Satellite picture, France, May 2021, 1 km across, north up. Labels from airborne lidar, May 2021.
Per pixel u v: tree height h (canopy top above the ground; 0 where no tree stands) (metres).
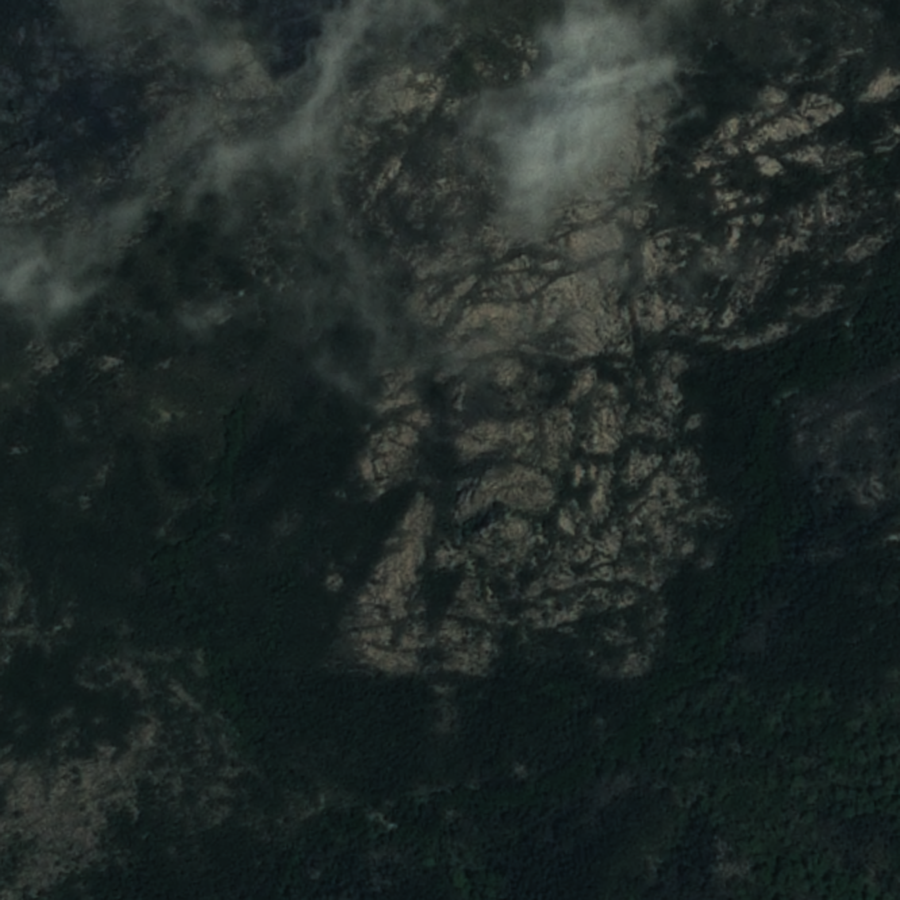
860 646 19
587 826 6
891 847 7
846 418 0
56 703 8
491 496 0
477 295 0
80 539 8
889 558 14
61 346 0
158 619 8
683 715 14
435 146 0
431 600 6
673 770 11
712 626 16
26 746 7
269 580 13
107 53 0
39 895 10
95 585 7
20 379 0
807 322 6
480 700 9
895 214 6
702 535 7
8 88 0
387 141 0
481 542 6
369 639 0
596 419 0
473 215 0
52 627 5
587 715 14
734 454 11
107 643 6
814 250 6
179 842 7
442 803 14
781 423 5
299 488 6
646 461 0
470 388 0
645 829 10
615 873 8
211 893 17
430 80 0
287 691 7
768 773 7
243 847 12
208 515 8
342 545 6
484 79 0
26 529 7
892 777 10
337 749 9
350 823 12
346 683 9
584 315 0
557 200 0
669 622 8
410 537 0
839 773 7
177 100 0
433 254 0
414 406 0
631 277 6
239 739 9
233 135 0
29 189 0
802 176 9
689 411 6
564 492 8
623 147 0
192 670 6
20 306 0
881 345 11
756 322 7
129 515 6
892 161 7
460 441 0
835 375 7
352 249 0
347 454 6
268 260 0
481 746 16
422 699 16
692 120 6
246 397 9
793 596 7
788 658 9
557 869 8
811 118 7
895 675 15
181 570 11
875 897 18
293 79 0
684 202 6
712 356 15
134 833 9
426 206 0
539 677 18
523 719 18
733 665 8
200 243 6
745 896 13
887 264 10
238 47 0
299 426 7
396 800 6
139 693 5
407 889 15
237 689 11
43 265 0
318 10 0
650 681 18
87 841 0
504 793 23
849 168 6
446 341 0
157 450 6
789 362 17
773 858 9
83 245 0
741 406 9
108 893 17
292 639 6
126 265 7
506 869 12
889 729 13
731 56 6
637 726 20
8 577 6
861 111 8
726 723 18
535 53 0
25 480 6
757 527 19
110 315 6
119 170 0
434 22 0
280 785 9
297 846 19
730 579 22
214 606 8
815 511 17
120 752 5
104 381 6
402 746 10
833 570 13
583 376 0
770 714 14
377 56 0
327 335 6
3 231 0
